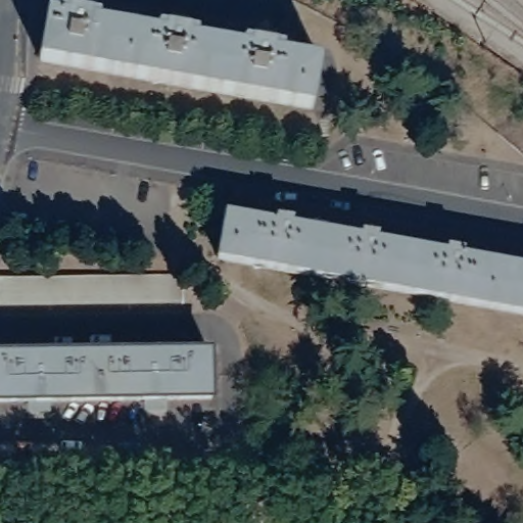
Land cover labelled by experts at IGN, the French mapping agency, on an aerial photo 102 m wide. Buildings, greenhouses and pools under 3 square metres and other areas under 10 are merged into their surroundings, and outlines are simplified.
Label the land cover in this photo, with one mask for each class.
<instances>
[{"label":"deciduous trees","instance_id":"1","mask_svg":"<svg viewBox=\"0 0 523 523\"><path fill-rule=\"evenodd\" d=\"M341 10L355 8L364 14V10L374 4L392 12L394 18L402 20L407 27H417V37L431 41L433 49L429 53L439 59L445 57L441 37L451 22L439 16L437 12H429L425 8H405L400 0H339ZM370 80L374 82V88L372 92H368L364 100L355 102V108H351L347 102H339L335 116H331L333 125V127H337V129H339L341 133H345V139H343V141L360 139L358 133L362 129L378 127L388 118H396L402 123L409 116L415 98L421 96L437 110V116L427 118L419 137H415L413 141L417 151L425 157L441 149L447 143V139L458 135L460 114L472 112V102L468 94L460 88L454 76L447 82H443L425 74V67H413L411 61H402V72L398 67L388 65L384 76L374 74ZM31 118L47 125H51V121H61L65 127L74 129L78 123H90L102 129H112L121 133V137L125 139H137L141 135L147 139V143L221 153L241 161H262L268 165L311 170L327 161V139L323 137V135L321 131L311 133L302 129L300 133H290L284 131V121L276 116L272 121H264V116L231 112L206 114L202 108H192L188 112L174 110L170 94L161 98V102L149 104L145 100H118L110 96H94L88 88H74L72 92L43 90L41 96H35L25 106ZM182 206L188 212V221L178 227L184 235L190 237V241H194L196 235L204 233V225L212 212V202L210 184H202L194 190L190 198L182 200ZM67 253L76 255L84 264H98L100 270L121 268L123 274L151 276L153 270L149 264L155 255L161 253L155 245V239L147 241L145 237L143 241H106L98 237L96 231L88 225H74L72 229L61 227L53 231L39 219H33L29 225H22L20 212H12L6 225L0 227V276H55L57 270H61L59 262ZM178 286L194 290L204 308H217L225 302L229 294L227 286L223 284L219 268L206 259L190 264L182 272V276L176 278ZM292 302L306 306L304 319L306 325H313L317 333L327 337V345L331 351L329 358L325 374L321 376V380L315 382L311 390L304 382L288 380V372H280L276 368H268L257 380V384H253L251 388L235 390V398L243 400V415L249 429L245 433L241 431L239 435H235L231 447L217 456L200 454V458L194 460H176L174 451L168 447L159 454L149 451V456L145 458H131V454L123 449H112L100 454L94 460L84 462L49 460L43 456H35L31 460L10 458L0 464V523H478V513L472 507H466L462 501V492L468 488L456 476L458 449L445 431L441 435L429 437L427 443L421 445V468L413 470L411 474L405 476L400 472L402 464H396L394 460L384 458L380 451L374 454L372 460L335 458L327 462L325 458H315V441H306V435L311 431H304L308 423L315 421L319 411L327 407L333 423L343 427V433H378L380 419L396 417L398 407L402 405V392L415 386L417 378V366L407 360V355L394 362L392 366L384 368L380 362L382 349L364 337V327L368 325V321H386V313L394 311V304H382L374 290L366 288L355 298L353 294H345L343 290L323 296L319 292H308L292 284ZM353 374L362 380L366 392L362 398H349L347 394H343V386ZM413 319L425 331H431L435 335L443 333L451 325L449 302L445 298H437L427 308L413 306ZM492 425L505 437L509 454L523 464V378H515L513 386L505 390V394L496 400L494 417L490 419Z\"/></svg>","mask_w":523,"mask_h":523},{"label":"impervious surface","instance_id":"2","mask_svg":"<svg viewBox=\"0 0 523 523\"><path fill-rule=\"evenodd\" d=\"M49 0H0V227L6 225L12 212H20L22 225H29L33 219H39L53 231L61 227L72 229L74 225H88L96 231L98 237L106 241H143L145 237L147 241L155 239V217L170 212V186L176 184L180 188L184 182L194 190L202 184H210L212 202L219 198L227 206L235 204L270 212L292 210L304 219H317L349 227L374 225L394 235H407L441 243L460 241L466 247L523 257V161L509 163L496 159H478L468 155L443 153L441 149L425 157L417 151L413 141L411 145H398L366 137L360 139L343 141L335 143V145H333V147H331V149L327 151V161L311 170L268 165L262 161H241L221 153L147 143V139L141 135L137 139H125L121 137V133L112 129H102L90 123H78L74 129L65 127L61 121H51V125H47L31 118L25 106L20 102V94L33 78L45 76L41 69L43 61L41 47ZM319 45L325 51V59L321 63L325 67L321 74L323 96L315 100V114L308 116L313 125L321 127V131L323 135H325V133H329L331 125H333L331 116H335L339 102H347L351 108H355V102L364 100L368 92L366 88H362L360 82L349 80L347 72L335 69L333 55L325 45L313 39H308V43ZM202 343L210 345L212 351V400L186 405L174 400L145 402L143 407L139 402H110L108 407L96 405L94 411L76 405H29L27 409H20L16 405H0V464L10 458L31 460L35 456H43L49 460L84 462L94 460L100 454L112 449H123L131 454V458H145L149 456V451L159 454L168 447L174 451L176 460H194L200 458V454L217 456L231 447L235 435H239L241 431L245 433L249 429L243 415V400L235 398V390L233 380L227 376V368L243 360L245 355L241 353L237 333L231 323L217 315H192L190 304L0 306V345Z\"/></svg>","mask_w":523,"mask_h":523},{"label":"herbaceous vegetation","instance_id":"3","mask_svg":"<svg viewBox=\"0 0 523 523\"><path fill-rule=\"evenodd\" d=\"M110 10L135 12L145 16L178 14L196 18L206 27L229 31L259 29L282 33L290 41L308 43V39H313L325 45L333 55L335 69L347 72L349 80L360 82L362 88H366L368 92H372L374 88V82L370 80L374 74L384 76L388 65L398 67L402 72V61H411L413 67H425V74L443 82H447L454 76L460 88L468 94L472 102V112L460 114L458 135L447 139V143L441 149L443 153L468 155L478 159H496L509 163L523 161V98L511 104V110L488 108L486 84L488 78H494L496 86H505L509 74L519 72L523 76V65L511 61V57L492 49L486 41L474 39L472 35L464 33L456 22H451L441 37L445 57L439 59L429 53L433 49L431 41L417 37V27H407L402 20L394 18L392 12L374 4L364 10V14L355 8L341 10L339 0H96ZM368 22L380 27L384 33L380 35V43L374 49L372 57L366 61L345 51L341 45L349 41L353 25L362 27ZM41 69L45 76L33 78L20 94V102L25 106L35 96H41L43 90L72 92L74 88H88L94 96H110L118 100H145L149 104L161 102V98L170 94L174 110L188 112L192 108H202L206 114L231 112L264 116V121H272L276 116L284 121V131L290 133H300L302 129L311 133L321 131V127L313 125L308 116H304L302 110H294L286 104H262L217 94L208 96L200 90H190L186 94L180 92L176 86L151 84L145 80L123 78L102 72L76 69V74H65L67 69L63 65L43 61ZM437 116V110L421 96L415 98L409 116L402 123L396 118H388L378 127L362 129L358 133L360 139L366 137L398 145H411L415 137H419L427 118ZM323 137L327 139V151L331 149V147H333V145H335V143L343 141V139H345V133H341L339 129H337V127H333V125H331L329 133H325V135H323ZM194 190L184 182L180 188L176 184L170 186V212L155 217V245L161 253L155 255L149 264L153 270L151 276L170 274L176 278L182 276V272L190 264L206 259L219 268L223 284L227 286L235 278H241L243 288L253 290L264 300L282 306L274 317L276 321L266 319L264 311H251L249 306H241V313L231 323L237 333L241 353L245 355L243 360L227 368V376L233 380L235 390L251 388L253 384H257V380L268 368H276L280 372H288V380L304 382L311 390L315 382L321 380V376L325 374L329 358H321V349L311 341V337L302 335L296 327L278 321L290 306L292 317L298 315L304 319L306 306L292 302V284L308 292H319L323 296L343 290L345 294H353L355 298L366 288L358 284L355 274L325 278L315 272L292 274L278 270H253L251 266L223 262L219 255V247L227 206L219 198L212 202V212L204 225V233L196 235L194 241H190V237L184 235L178 227L188 221V212L182 206V200L190 198ZM61 270H57L55 276L123 274L121 268L100 270L98 264H84L76 255L67 253L59 262ZM382 304H394V311L386 313V321L388 325L398 327V335L394 339L405 347L407 355V360L417 366V378L415 386L402 392V405L398 407L396 417L400 425L396 449L400 456L394 460L396 464H402L400 472L405 476L411 474L413 470L421 468V445L427 443L429 437L441 435L445 431L458 449L456 476L468 488L462 492V501L466 507H472L478 513V523H523V464L509 454L505 437L492 425L480 437L468 429V423H472L480 413H486L490 419L494 417L496 400L505 394V390L513 386L515 378H523V313L515 315L449 302L451 325L443 333L435 335L431 331H425L413 319V306L427 308L437 298L427 294L374 290ZM343 394H347L349 398H362L366 392L362 380L353 374L343 386ZM304 431H311L306 435V441H315V458H325L327 462L335 458L372 460L374 454L380 451L382 443L378 433H343V427L333 423L327 407L319 411L315 421L308 423Z\"/></svg>","mask_w":523,"mask_h":523},{"label":"building","instance_id":"4","mask_svg":"<svg viewBox=\"0 0 523 523\"><path fill-rule=\"evenodd\" d=\"M43 61L63 65L67 69L65 74H76V69L102 72L123 78L145 80L151 84L176 86L180 92L186 94L190 90H200L208 96L217 94L262 104H286L294 110H302L304 116H308L315 114V100L323 96L321 74L325 67L321 63L325 59V51L319 45L308 43L290 41L282 33L259 29L229 31L206 27L196 18L178 14L145 16L135 12L110 10L96 0H49L41 47ZM219 255L223 262L251 266L253 270H278L292 274L315 272L325 278L355 274L358 284L366 288L374 290L427 294L437 298H445L449 302L515 315L523 313V257L466 247L460 241L441 243L407 235H394L374 225L349 227L317 219H304L292 210L270 212L235 204L227 206L219 247ZM190 304L192 315H200L204 308L194 290L178 286L176 278L170 274L151 276L123 274L55 276H0V306ZM174 400L186 405L212 400V351L210 345L202 343L0 345V405H16L20 409H27L29 405H76L94 411L96 405L108 407L110 402H139L143 407L145 402Z\"/></svg>","mask_w":523,"mask_h":523},{"label":"pervious surface","instance_id":"5","mask_svg":"<svg viewBox=\"0 0 523 523\"><path fill-rule=\"evenodd\" d=\"M405 8H425L429 12H437L439 16L451 22H456L464 33L472 35L474 39L486 41L492 49L511 57V61L523 65V0H400ZM229 294L225 302L217 308H204L200 315H217L231 323L241 313V306H249L251 311H264L266 319L276 321L274 317L282 306L264 300L253 290L243 288L241 278H235L227 286ZM278 321L296 327L302 335L311 337V341L321 349V358H329L331 351L327 345V337L317 333L313 325H306L304 319L298 315L292 317L290 306ZM364 337L382 349L380 362L384 368L392 366L394 362L407 355L405 347L394 339L398 335V327L388 325L386 321H368V325L364 327ZM400 425L396 417L380 419L378 433L382 443L380 451L384 458L394 460L400 456L396 449Z\"/></svg>","mask_w":523,"mask_h":523},{"label":"brushwood","instance_id":"6","mask_svg":"<svg viewBox=\"0 0 523 523\"><path fill-rule=\"evenodd\" d=\"M488 108L511 110V104L523 98V76L519 72L509 74L505 86H496L494 78H488L486 84ZM492 425L490 419L486 413H480L472 423H468V429L480 437Z\"/></svg>","mask_w":523,"mask_h":523},{"label":"coniferous trees","instance_id":"7","mask_svg":"<svg viewBox=\"0 0 523 523\"><path fill-rule=\"evenodd\" d=\"M349 41L341 45L345 51L366 61L372 57L374 49L380 43V35L384 33L380 27L368 22L362 27L353 25Z\"/></svg>","mask_w":523,"mask_h":523}]
</instances>
